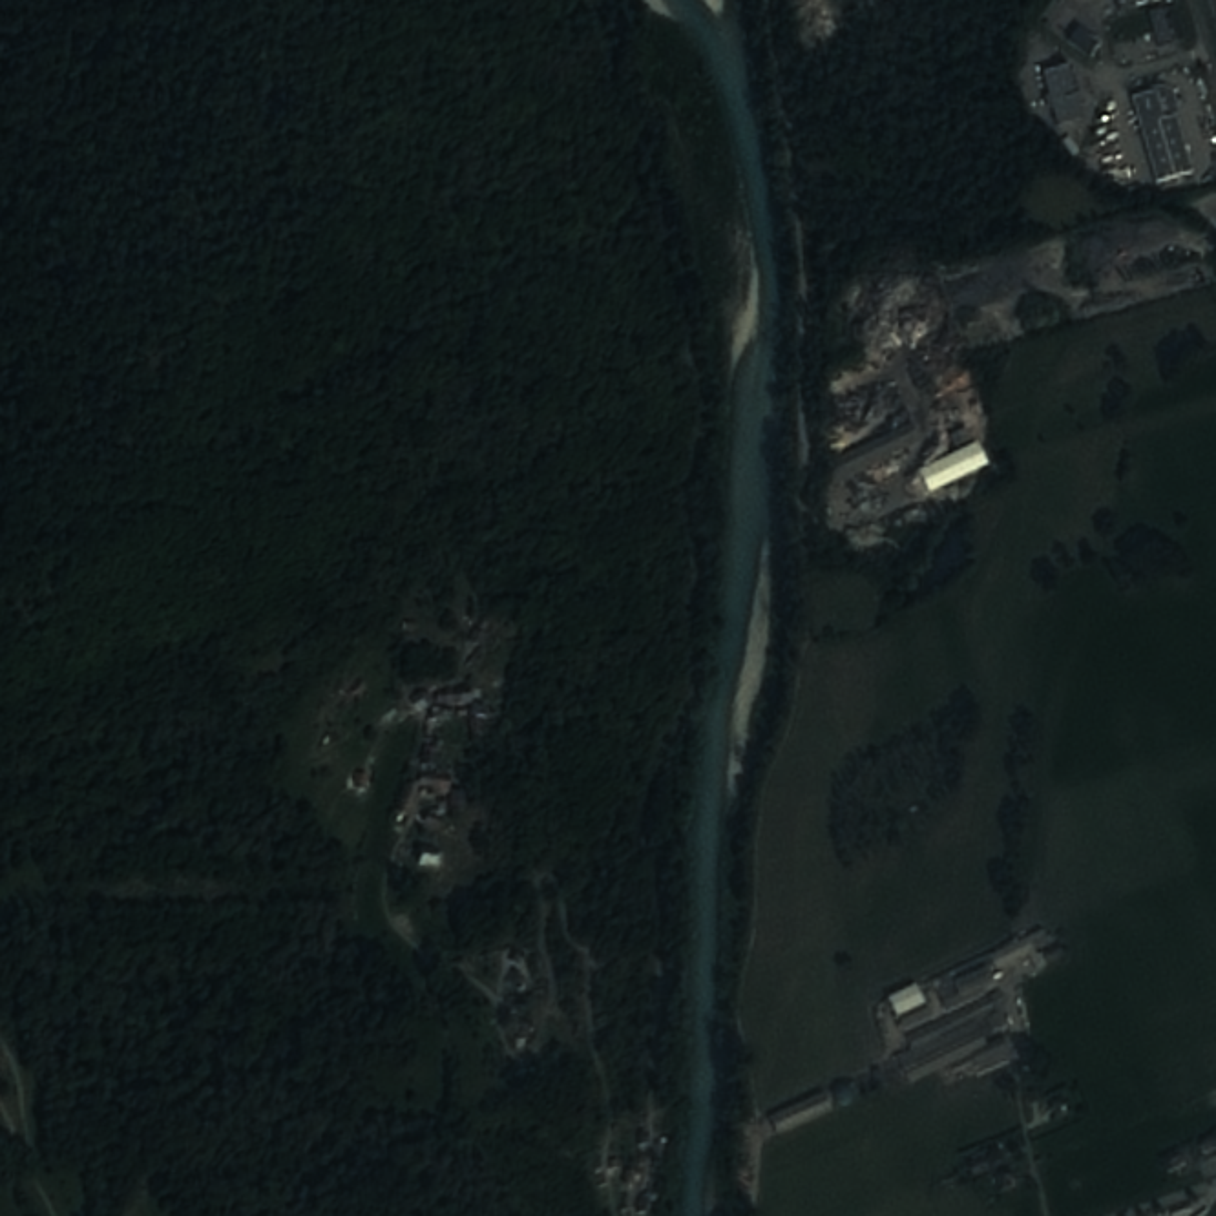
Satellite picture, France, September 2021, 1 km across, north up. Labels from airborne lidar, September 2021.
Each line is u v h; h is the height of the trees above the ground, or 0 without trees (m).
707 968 0
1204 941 0
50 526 15
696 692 25
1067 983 0
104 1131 26
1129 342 0
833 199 13
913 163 11
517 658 9
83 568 17
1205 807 0
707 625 23
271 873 10
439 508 21
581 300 16
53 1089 26
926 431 0
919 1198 0
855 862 15
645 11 22
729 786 0
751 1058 23
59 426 19
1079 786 0
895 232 18
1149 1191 0
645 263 23
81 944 26
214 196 15
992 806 0
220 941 20
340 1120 25
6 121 22
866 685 0
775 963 0
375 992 27
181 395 16
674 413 16
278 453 23
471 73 19
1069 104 0
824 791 0
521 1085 19
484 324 13
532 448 13
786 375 13
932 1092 0
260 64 18
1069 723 0
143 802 23
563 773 20
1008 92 14
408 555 10
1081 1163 0
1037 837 0
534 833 15
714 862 0
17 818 27
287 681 16
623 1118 14
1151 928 0
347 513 20
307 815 18
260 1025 41
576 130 24
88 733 21
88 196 13
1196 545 0
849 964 10
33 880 0
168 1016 23
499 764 19
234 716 20
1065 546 0
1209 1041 0
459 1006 12
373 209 18
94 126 23
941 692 0
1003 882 16
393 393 14
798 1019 0
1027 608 0
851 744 0
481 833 10
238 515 19
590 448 19
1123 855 0
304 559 18
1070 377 0
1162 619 0
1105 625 0
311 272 20
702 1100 0
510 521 25
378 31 16
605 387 14
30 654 20
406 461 22
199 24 14
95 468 16
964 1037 0
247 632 19
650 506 24
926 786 19
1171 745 0
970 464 0
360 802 0
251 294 23
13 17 28
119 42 23
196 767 25
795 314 9
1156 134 0
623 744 17
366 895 0
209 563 23
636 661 20
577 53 16
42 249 24
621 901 26
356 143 17
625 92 25
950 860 0
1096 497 0
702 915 0
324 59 15
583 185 21
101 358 15
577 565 20
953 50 17
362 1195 28
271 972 23
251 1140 21
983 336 0
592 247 20
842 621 0
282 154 17
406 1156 34
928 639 0
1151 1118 0
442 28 17
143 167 17
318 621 12
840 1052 0
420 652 11
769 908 0
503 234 19
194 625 14
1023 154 23
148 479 23
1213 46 0
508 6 23
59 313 15
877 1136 0
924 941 0
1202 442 0
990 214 19
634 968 7
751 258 0
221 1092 28
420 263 17
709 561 15
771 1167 0
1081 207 0
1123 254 0
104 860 20
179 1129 28
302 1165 26
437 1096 0
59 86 13
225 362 13
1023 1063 19
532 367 14
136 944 25
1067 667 0
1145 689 0
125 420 20
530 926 22
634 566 15
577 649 21
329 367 8
